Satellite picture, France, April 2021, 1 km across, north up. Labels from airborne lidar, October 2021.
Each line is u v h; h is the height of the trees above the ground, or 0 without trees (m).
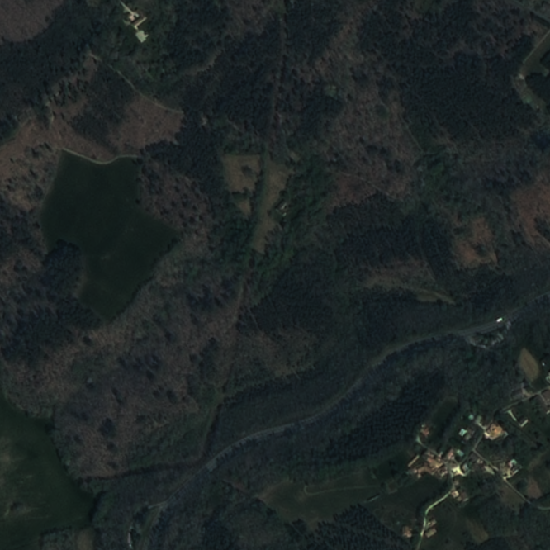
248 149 6
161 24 13
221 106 13
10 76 9
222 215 9
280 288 18
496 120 24
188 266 19
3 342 7
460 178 8
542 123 18
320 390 18
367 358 17
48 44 8
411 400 18
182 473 17
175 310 21
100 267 0
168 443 17
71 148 0
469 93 20
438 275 16
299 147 14
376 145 15
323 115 14
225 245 14
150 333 22
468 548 8
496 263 7
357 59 20
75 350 11
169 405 8
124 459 14
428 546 0
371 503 0
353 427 22
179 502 19
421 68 27
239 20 8
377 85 14
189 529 20
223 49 20
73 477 17
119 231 0
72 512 0
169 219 18
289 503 0
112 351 12
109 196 0
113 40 19
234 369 17
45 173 19
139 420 14
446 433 16
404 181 14
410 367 20
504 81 12
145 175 14
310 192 17
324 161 17
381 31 21
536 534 22
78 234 0
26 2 7
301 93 23
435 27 14
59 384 17
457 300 7
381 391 24
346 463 18
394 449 20
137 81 19
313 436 20
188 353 8
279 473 22
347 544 12
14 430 0
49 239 0
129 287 0
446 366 22
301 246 17
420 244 11
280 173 0
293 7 19
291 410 20
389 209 19
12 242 8
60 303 11
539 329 19
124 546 24
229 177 0
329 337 20
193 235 16
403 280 9
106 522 17
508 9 14
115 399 6
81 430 12
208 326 13
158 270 18
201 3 19
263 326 15
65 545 17
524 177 13
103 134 6
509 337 21
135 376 8
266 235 0
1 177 0
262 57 20
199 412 22
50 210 0
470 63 22
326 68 15
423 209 13
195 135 20
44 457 0
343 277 13
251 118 18
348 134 18
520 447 19
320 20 17
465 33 16
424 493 0
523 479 0
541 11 17
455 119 23
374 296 9
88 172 0
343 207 9
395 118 20
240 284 20
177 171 20
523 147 18
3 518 0
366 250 16
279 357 13
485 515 14
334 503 0
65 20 9
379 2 17
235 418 17
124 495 21
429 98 23
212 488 17
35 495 0
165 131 0
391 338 15
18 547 0
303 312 20
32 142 0
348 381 21
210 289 9
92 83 7
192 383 20
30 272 14
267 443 12
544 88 16
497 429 0
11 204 10
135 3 26
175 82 16
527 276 22
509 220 14
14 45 10
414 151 21
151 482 21
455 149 14
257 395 12
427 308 16
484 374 20
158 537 18
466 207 14
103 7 11
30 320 13
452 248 14
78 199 0
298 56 13
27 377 14
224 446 19
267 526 19
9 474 0
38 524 0
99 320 14
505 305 19
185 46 18
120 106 8
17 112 6
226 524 17
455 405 0
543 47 0
